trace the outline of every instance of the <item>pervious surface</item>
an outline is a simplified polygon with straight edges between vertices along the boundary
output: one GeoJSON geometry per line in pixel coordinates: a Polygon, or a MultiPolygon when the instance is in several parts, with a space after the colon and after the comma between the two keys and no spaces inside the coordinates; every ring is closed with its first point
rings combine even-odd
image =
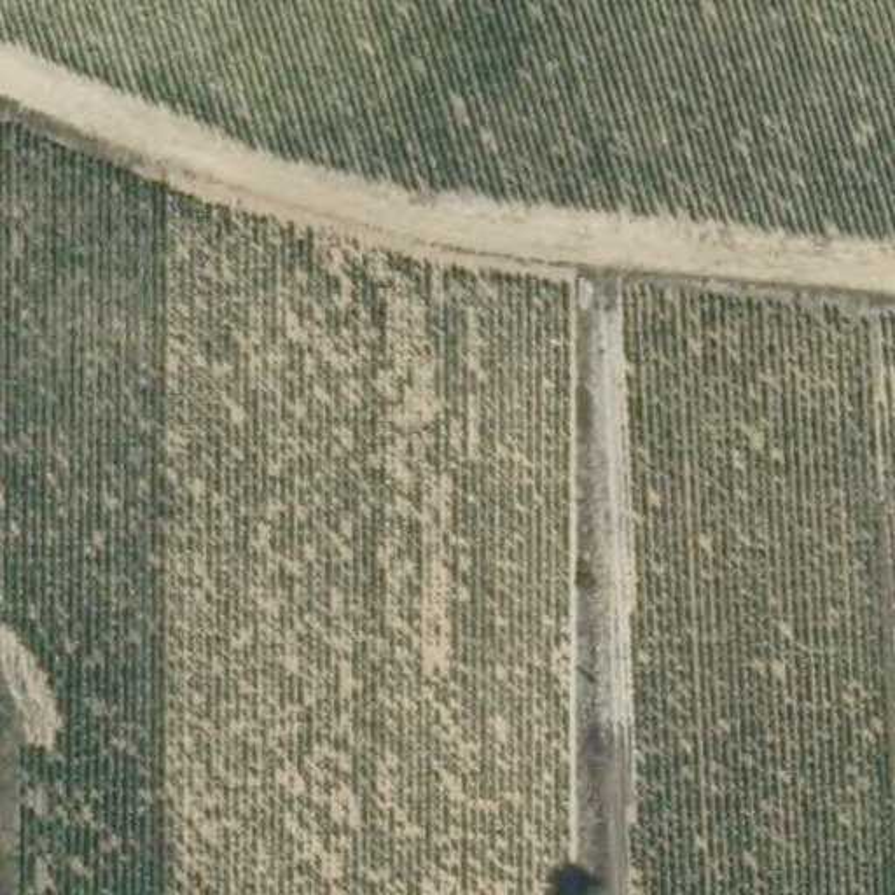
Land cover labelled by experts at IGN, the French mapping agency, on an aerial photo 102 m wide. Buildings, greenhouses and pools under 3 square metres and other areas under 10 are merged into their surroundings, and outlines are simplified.
{"type": "Polygon", "coordinates": [[[836,224],[825,227],[825,234],[790,234],[759,231],[738,220],[689,220],[685,213],[605,213],[552,203],[489,199],[468,189],[409,192],[395,182],[315,168],[308,161],[287,161],[269,150],[252,150],[213,126],[203,126],[192,115],[171,112],[168,105],[154,105],[140,94],[112,91],[101,80],[80,77],[59,63],[49,63],[45,56],[35,56],[24,45],[0,42],[0,94],[21,101],[24,108],[70,122],[91,136],[108,140],[108,161],[126,164],[140,178],[168,182],[171,189],[182,189],[203,203],[224,203],[231,210],[276,217],[283,224],[294,224],[297,231],[350,234],[360,238],[360,245],[367,248],[392,248],[399,255],[434,262],[444,269],[500,269],[514,276],[570,283],[577,276],[577,266],[587,262],[745,280],[832,283],[895,294],[895,238],[850,238],[836,224]]]}

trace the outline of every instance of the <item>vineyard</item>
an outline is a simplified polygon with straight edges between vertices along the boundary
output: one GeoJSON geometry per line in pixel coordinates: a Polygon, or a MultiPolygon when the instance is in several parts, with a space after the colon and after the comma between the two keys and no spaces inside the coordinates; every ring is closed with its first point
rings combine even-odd
{"type": "Polygon", "coordinates": [[[850,238],[895,238],[895,0],[0,0],[0,42],[24,45],[35,56],[45,56],[49,63],[59,63],[80,77],[101,80],[112,91],[140,94],[154,105],[168,105],[171,112],[192,115],[203,126],[213,126],[252,150],[269,150],[287,161],[308,161],[315,168],[395,182],[409,192],[468,189],[489,199],[552,203],[605,213],[685,213],[689,220],[738,220],[759,231],[790,234],[825,234],[825,227],[836,224],[850,238]]]}
{"type": "Polygon", "coordinates": [[[108,140],[91,136],[70,122],[24,108],[21,101],[0,94],[0,895],[895,895],[895,294],[832,283],[745,280],[587,262],[577,266],[577,276],[570,283],[514,276],[500,269],[444,269],[434,262],[399,255],[392,248],[367,248],[360,245],[360,238],[350,234],[297,231],[294,224],[283,224],[276,217],[231,210],[224,203],[203,203],[182,189],[171,189],[168,182],[140,178],[126,164],[108,161],[108,140]]]}

